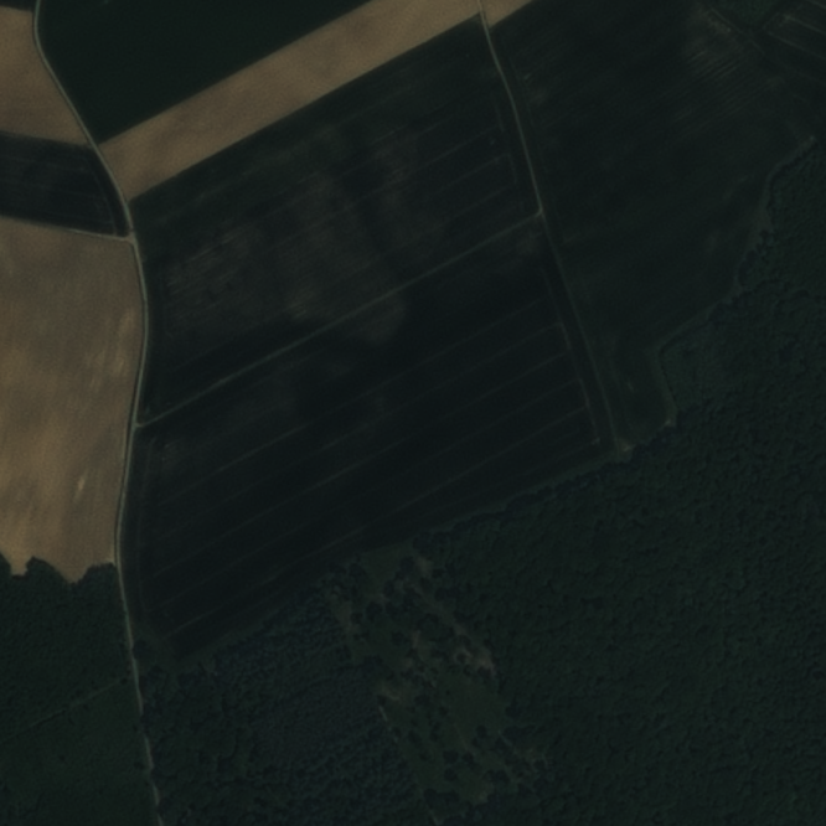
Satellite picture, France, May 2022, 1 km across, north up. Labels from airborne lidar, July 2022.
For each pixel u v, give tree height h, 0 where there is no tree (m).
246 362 0
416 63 0
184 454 0
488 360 0
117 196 0
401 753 30
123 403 0
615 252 0
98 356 0
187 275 0
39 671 13
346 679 27
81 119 0
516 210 0
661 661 26
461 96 0
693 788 22
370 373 0
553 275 0
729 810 27
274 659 31
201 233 0
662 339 0
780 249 10
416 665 25
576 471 0
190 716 24
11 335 0
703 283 0
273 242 0
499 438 0
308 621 11
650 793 23
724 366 28
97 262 0
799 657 25
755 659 23
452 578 24
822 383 27
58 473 0
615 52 0
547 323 0
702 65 0
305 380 0
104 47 0
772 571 24
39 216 0
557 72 0
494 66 0
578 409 0
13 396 0
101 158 0
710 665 22
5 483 0
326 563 0
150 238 0
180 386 0
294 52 0
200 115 0
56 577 12
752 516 23
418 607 29
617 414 0
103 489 0
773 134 0
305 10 0
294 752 25
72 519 0
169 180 0
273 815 26
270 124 0
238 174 0
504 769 0
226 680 26
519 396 0
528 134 0
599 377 0
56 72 0
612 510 27
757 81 0
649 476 24
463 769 25
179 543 0
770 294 20
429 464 0
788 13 0
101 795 7
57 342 0
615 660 25
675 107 0
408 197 0
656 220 0
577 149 0
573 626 22
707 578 25
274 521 0
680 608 22
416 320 0
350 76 0
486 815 26
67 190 0
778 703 24
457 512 0
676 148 0
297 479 0
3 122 0
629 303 0
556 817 28
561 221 0
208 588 0
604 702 29
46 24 0
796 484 27
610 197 0
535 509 24
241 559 0
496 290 0
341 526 0
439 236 0
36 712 9
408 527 0
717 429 27
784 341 26
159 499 0
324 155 0
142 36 0
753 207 0
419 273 0
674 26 0
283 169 0
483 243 0
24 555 0
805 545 29
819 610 28
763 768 23
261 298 0
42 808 10
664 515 26
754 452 27
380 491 0
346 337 0
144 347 0
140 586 0
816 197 11
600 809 25
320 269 0
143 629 0
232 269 0
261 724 27
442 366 0
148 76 0
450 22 0
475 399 0
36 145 0
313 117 0
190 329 0
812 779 21
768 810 22
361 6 0
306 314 0
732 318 19
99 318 0
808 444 24
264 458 0
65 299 0
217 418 0
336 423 0
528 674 23
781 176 13
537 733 28
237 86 0
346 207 0
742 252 0
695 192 0
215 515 0
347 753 35
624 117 0
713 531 25
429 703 24
